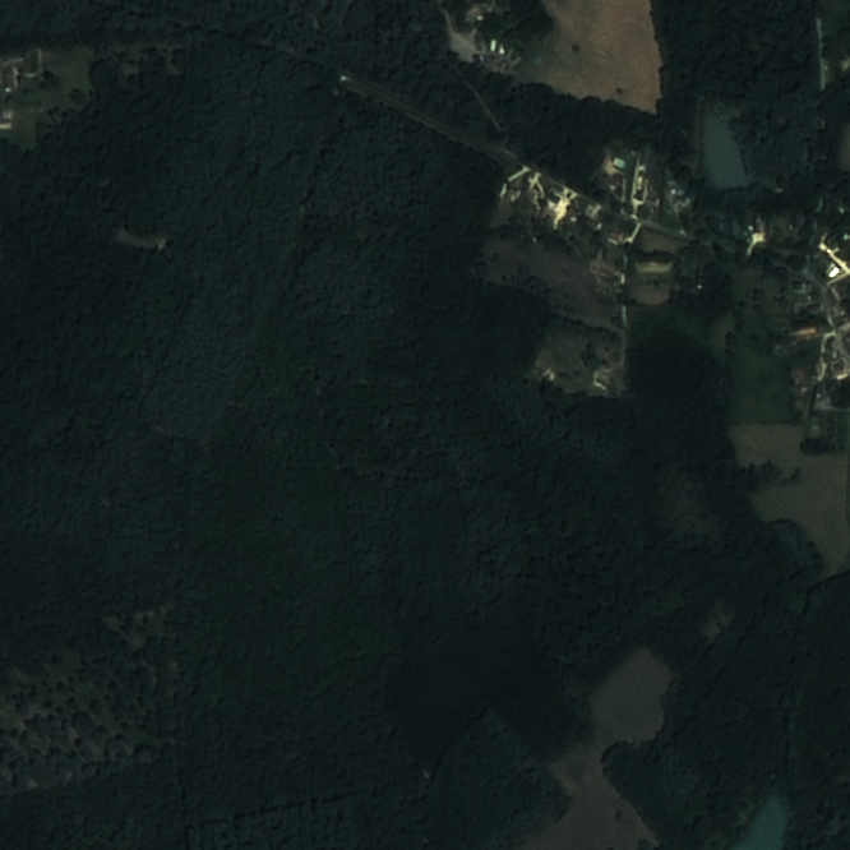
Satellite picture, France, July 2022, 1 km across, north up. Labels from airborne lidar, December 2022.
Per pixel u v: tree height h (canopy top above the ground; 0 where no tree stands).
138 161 21
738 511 15
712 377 21
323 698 15
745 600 13
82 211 19
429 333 25
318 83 13
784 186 15
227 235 20
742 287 0
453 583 21
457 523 20
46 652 21
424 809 25
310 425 18
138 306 21
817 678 22
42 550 14
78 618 21
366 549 14
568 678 18
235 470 15
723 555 7
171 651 22
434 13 24
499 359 14
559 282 0
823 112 18
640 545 23
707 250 15
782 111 25
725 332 0
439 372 18
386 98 0
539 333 15
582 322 6
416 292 20
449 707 20
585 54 0
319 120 27
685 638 10
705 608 10
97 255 12
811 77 22
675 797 28
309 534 17
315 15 27
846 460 0
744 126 22
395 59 19
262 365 18
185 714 16
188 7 28
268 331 15
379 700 21
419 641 15
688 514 7
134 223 23
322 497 10
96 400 19
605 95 0
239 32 9
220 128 30
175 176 31
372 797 23
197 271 29
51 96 0
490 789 21
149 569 15
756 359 0
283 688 20
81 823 25
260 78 28
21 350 11
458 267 17
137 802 18
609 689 0
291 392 16
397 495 13
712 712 27
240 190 27
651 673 0
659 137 24
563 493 19
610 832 0
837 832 34
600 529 17
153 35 24
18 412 25
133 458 23
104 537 19
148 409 25
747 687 21
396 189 28
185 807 11
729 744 22
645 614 27
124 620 20
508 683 21
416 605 13
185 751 21
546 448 25
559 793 18
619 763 22
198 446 20
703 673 17
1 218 23
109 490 12
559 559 21
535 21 14
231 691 19
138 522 19
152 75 24
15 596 18
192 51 20
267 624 12
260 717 25
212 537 9
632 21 0
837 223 14
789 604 11
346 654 14
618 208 12
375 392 14
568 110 26
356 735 24
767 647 25
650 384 9
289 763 20
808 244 11
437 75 27
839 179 17
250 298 17
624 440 23
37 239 9
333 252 27
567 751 14
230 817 20
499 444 18
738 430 0
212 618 23
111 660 12
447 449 23
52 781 27
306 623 11
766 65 6
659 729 0
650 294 0
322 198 26
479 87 18
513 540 19
